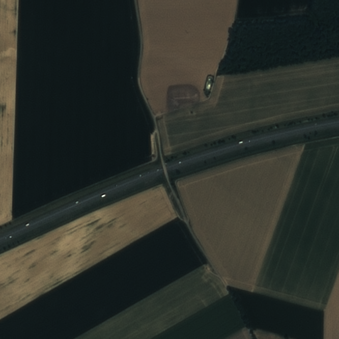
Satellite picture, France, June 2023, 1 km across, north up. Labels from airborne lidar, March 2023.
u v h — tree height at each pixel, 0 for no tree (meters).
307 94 0
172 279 0
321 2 21
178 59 0
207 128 0
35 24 0
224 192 0
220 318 0
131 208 0
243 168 0
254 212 0
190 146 0
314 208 0
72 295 0
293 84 0
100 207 0
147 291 0
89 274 0
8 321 0
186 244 0
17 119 0
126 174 0
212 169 0
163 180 0
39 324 0
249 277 0
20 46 0
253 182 0
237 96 0
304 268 0
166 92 0
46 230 0
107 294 0
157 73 0
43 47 0
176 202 0
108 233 0
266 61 10
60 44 0
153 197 0
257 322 0
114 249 0
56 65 0
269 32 24
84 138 0
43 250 0
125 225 0
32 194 0
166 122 0
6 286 0
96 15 0
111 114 0
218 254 0
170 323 0
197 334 0
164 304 0
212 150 0
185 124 0
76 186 0
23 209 0
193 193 0
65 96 0
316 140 0
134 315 0
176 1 0
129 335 0
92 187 0
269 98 0
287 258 0
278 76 0
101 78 0
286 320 0
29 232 0
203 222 0
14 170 0
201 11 0
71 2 0
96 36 0
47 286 0
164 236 0
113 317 0
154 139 0
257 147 0
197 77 0
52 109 0
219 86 0
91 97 0
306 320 0
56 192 0
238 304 23
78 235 0
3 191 0
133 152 0
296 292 0
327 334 0
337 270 0
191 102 0
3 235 0
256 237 0
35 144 0
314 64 0
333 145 0
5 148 0
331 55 9
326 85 0
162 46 0
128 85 0
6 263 0
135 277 0
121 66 0
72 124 0
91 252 0
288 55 25
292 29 22
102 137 0
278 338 0
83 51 0
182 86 0
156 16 0
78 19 0
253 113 0
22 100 0
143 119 0
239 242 0
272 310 0
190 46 0
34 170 0
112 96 0
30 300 0
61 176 0
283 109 0
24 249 0
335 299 0
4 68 0
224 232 0
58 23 0
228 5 0
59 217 0
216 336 0
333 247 0
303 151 0
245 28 22
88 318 0
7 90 0
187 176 0
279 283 0
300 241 0
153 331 0
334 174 0
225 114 0
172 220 0
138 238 0
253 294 0
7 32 0
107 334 0
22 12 0
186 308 0
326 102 0
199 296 0
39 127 0
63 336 0
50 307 0
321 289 0
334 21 24
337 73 0
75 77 0
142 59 0
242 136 0
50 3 0
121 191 0
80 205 0
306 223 0
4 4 0
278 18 14
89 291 0
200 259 0
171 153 0
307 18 22
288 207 0
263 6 0
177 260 0
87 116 0
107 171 0
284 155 0
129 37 0
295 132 0
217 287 0
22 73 0
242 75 0
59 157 0
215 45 0
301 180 0
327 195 0
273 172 0
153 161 0
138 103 0
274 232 0
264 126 0
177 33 0
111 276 0
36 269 0
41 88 0
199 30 0
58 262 0
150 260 0
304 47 24
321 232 0
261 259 0
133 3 0
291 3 0
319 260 0
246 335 0
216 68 0
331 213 0
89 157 0
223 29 0
